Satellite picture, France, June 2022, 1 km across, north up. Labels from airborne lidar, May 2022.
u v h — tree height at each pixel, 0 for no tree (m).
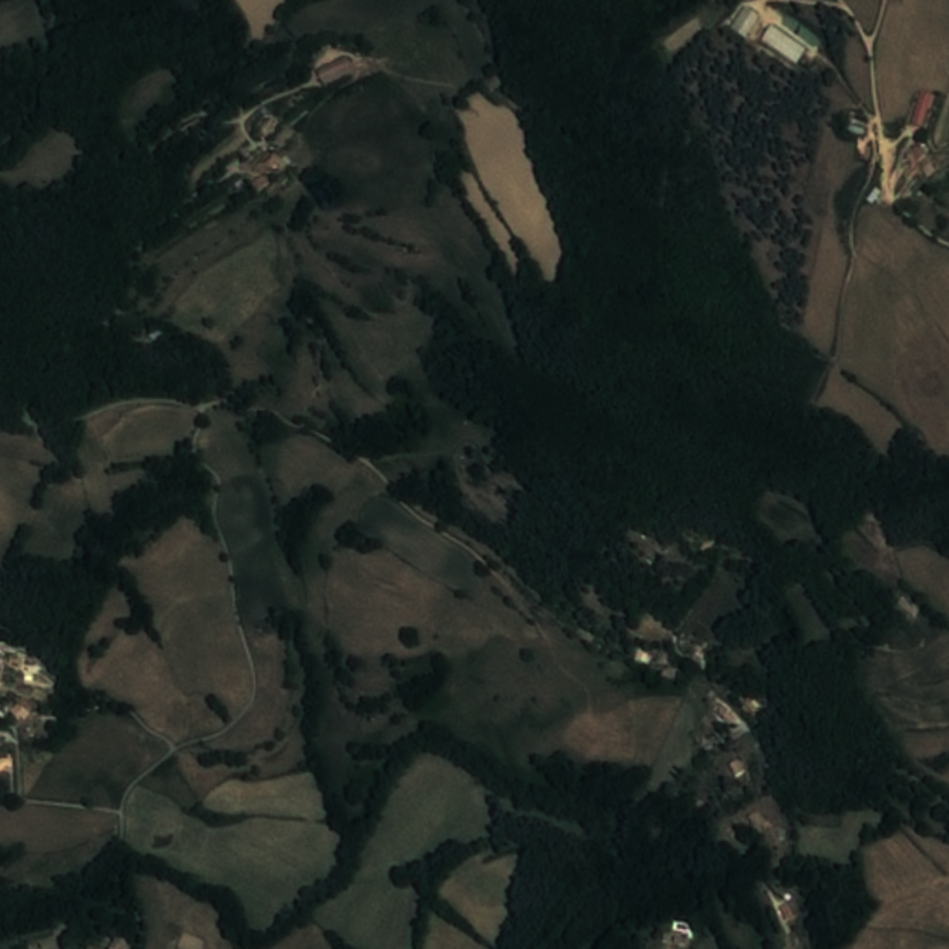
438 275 0
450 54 0
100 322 14
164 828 0
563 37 19
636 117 16
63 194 16
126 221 17
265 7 0
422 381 0
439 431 0
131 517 19
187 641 0
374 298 0
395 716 7
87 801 12
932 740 0
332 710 0
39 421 14
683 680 16
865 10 0
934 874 0
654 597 18
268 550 0
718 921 16
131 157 19
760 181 13
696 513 23
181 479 13
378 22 0
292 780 0
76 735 14
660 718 0
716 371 16
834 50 15
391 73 0
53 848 0
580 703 0
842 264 0
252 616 0
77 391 22
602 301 21
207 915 0
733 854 20
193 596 0
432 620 0
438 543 0
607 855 20
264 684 0
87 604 18
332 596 0
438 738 24
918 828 12
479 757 20
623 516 19
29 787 0
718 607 0
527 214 0
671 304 7
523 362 23
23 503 0
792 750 23
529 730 0
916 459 15
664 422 20
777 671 18
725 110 14
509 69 19
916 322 0
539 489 25
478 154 0
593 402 20
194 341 15
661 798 14
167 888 0
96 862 18
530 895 21
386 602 0
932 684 0
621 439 18
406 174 0
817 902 15
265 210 9
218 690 0
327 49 0
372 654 0
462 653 0
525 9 19
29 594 20
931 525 19
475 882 0
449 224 0
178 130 12
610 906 23
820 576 16
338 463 0
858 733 19
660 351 18
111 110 17
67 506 0
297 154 0
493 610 0
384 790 20
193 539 0
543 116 25
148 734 0
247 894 0
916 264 0
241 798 0
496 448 16
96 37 19
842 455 20
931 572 0
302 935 0
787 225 13
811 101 14
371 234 10
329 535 0
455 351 19
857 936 12
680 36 0
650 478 23
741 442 23
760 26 0
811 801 13
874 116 0
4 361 24
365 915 0
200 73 19
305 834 0
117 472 15
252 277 0
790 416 20
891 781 18
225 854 0
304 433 6
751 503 18
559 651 0
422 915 13
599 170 20
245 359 0
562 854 23
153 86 0
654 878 22
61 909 14
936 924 0
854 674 17
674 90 17
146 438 0
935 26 0
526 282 20
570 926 24
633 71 22
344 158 0
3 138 11
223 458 0
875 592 17
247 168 0
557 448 19
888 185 0
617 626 17
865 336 0
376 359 0
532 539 24
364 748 9
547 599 14
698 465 23
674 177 9
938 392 0
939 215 8
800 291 19
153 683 0
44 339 22
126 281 18
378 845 0
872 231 0
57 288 17
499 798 9
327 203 10
